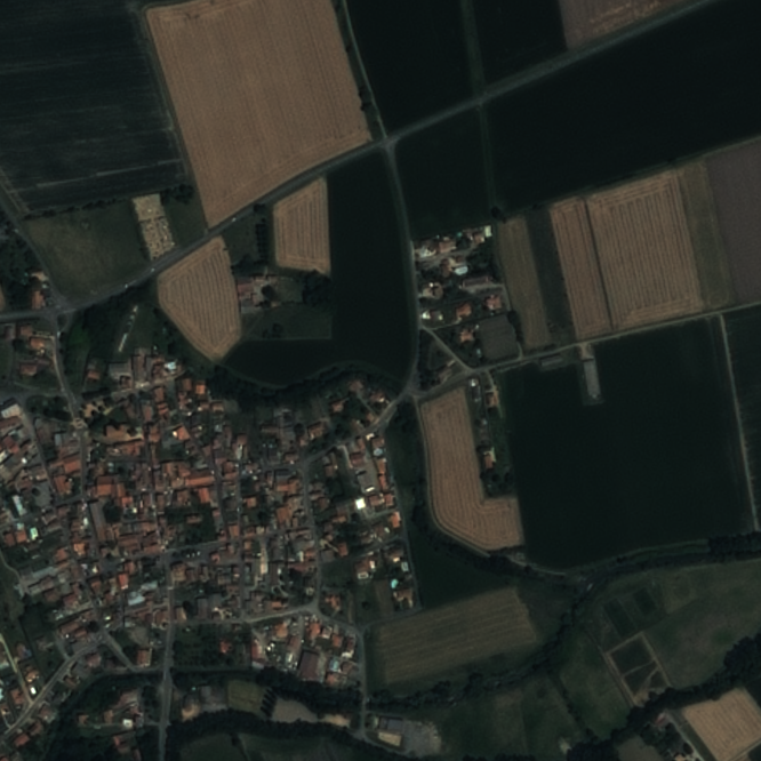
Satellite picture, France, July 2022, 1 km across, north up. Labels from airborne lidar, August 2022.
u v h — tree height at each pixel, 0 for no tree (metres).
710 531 0
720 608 0
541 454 0
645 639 0
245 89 0
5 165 0
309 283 13
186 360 7
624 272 0
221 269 0
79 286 0
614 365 0
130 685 8
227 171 0
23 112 0
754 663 8
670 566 7
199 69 0
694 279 0
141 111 0
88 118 0
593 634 0
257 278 0
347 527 8
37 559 0
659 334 0
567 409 0
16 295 15
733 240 0
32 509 9
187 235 0
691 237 0
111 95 0
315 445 8
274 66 0
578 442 0
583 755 31
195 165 0
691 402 0
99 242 0
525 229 0
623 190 0
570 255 0
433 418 0
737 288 0
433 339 6
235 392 16
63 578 0
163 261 0
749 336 0
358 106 0
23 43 0
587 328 0
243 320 0
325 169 0
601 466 0
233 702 0
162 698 0
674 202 0
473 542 0
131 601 0
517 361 0
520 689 0
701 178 0
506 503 0
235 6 0
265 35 0
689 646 0
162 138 0
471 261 12
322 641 0
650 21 0
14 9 0
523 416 0
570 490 0
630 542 0
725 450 0
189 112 0
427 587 0
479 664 0
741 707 0
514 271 0
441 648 0
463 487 0
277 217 0
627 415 0
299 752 0
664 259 0
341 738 16
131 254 0
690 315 0
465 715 0
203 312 0
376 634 0
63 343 9
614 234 0
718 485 0
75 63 0
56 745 8
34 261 8
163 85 0
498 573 14
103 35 0
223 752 0
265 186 0
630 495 0
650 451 0
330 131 0
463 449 0
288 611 0
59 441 0
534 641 0
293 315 0
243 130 0
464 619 0
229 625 0
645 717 16
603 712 0
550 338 0
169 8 0
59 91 0
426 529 15
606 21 0
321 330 0
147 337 0
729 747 0
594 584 0
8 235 10
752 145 0
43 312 0
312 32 0
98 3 0
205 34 0
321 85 0
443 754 0
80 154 0
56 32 0
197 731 12
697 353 0
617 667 0
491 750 0
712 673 0
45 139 0
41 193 0
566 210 0
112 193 0
